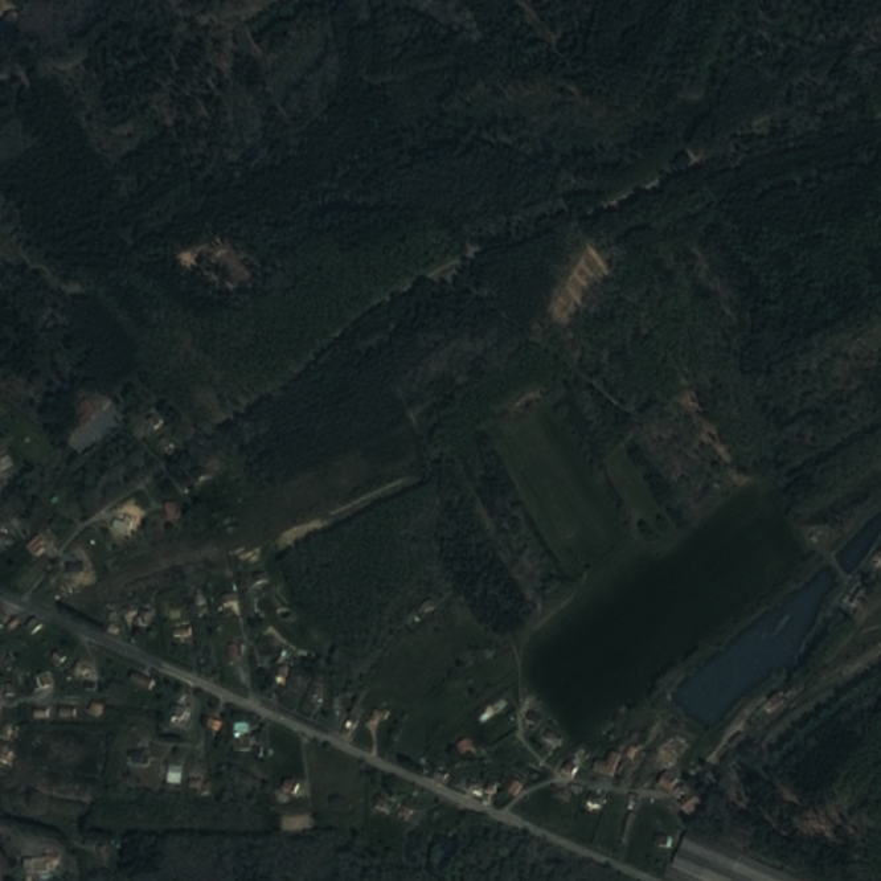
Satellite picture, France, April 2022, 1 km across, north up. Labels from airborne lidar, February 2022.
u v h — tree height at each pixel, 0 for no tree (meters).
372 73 19
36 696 0
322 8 15
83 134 16
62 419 22
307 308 20
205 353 20
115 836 13
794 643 0
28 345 14
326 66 23
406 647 0
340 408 22
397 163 16
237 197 11
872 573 6
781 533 0
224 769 8
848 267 20
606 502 0
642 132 6
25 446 0
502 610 16
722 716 0
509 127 16
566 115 12
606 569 0
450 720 0
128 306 21
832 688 0
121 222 11
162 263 12
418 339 20
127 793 16
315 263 22
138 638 15
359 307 19
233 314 15
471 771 0
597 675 0
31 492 21
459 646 0
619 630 0
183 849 19
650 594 0
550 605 20
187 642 0
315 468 18
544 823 0
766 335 19
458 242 18
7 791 12
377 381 26
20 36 20
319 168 11
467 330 24
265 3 0
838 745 18
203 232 11
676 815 0
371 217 21
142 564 0
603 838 0
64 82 14
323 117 8
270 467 21
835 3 27
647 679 0
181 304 19
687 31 18
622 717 10
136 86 19
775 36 10
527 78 17
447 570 11
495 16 14
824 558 11
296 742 0
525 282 26
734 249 19
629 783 0
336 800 13
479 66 23
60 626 0
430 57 17
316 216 14
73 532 0
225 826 15
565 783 0
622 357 19
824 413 11
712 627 0
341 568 19
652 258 18
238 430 24
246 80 14
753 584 0
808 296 19
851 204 24
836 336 26
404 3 30
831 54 23
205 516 0
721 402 13
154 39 23
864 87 25
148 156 16
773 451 14
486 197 23
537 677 0
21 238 20
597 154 21
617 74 27
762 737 0
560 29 23
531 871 20
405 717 7
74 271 16
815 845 18
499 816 0
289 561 18
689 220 15
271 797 0
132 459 21
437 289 16
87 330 20
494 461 15
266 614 0
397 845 0
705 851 0
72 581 0
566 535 0
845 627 15
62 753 0
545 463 0
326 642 0
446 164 17
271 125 15
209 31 27
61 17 15
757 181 18
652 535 13
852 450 16
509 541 8
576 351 14
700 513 17
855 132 19
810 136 17
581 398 6
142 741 0
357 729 0
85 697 0
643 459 15
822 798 15
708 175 14
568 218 15
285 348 20
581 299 0
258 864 25
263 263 8
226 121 9
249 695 0
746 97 18
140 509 0
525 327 23
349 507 0
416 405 18
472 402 19
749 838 18
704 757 0
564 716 0
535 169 25
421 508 20
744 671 0
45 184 14
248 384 19
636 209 22
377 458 0
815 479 14
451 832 8
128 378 22
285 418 24
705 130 22
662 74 23
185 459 21
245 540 0
